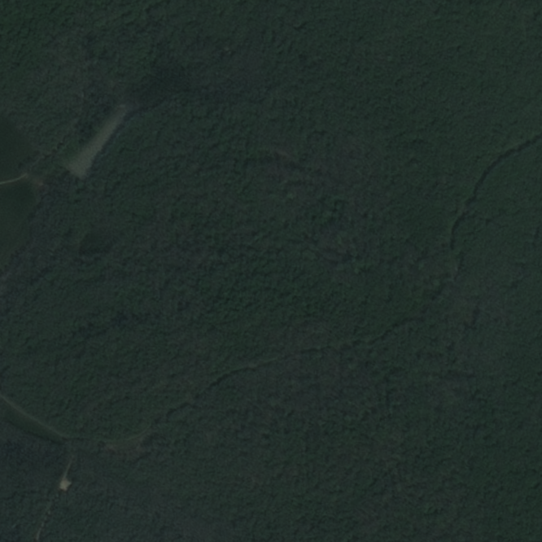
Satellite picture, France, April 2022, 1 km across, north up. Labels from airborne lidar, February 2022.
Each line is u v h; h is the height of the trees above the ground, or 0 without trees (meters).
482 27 24
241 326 16
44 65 22
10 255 0
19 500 11
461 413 31
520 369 24
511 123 25
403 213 26
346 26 23
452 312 25
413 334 24
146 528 13
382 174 26
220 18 22
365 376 27
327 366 26
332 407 25
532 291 24
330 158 25
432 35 28
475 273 25
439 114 24
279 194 24
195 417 28
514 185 23
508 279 29
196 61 23
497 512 23
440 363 25
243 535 30
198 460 19
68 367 24
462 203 20
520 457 27
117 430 19
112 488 18
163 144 24
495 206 21
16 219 0
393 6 25
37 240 18
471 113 19
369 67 23
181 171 21
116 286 28
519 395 20
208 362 17
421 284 28
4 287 24
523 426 24
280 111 26
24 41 24
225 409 28
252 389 28
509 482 27
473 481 26
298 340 24
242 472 24
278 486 25
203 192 24
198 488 22
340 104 26
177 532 18
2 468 23
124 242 26
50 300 25
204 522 23
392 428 25
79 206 22
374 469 22
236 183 23
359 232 32
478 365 26
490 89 23
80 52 18
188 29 26
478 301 27
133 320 27
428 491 25
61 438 0
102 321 24
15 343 19
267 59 17
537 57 19
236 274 10
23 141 0
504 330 26
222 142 22
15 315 23
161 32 19
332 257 28
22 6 24
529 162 25
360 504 25
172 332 23
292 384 27
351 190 22
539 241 21
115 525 10
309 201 28
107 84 25
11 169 0
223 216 23
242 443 23
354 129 22
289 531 22
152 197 22
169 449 25
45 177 0
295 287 25
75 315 23
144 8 20
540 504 21
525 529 21
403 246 27
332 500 23
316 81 26
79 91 23
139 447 0
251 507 18
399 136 22
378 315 25
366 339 20
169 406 18
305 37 23
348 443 24
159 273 23
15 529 10
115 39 24
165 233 24
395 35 25
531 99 24
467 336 25
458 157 21
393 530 22
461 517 22
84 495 7
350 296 23
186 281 25
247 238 21
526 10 28
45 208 20
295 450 24
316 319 21
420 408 26
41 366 23
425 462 19
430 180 22
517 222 24
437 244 24
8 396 13
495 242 26
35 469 19
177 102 17
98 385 23
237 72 15
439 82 25
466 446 25
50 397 19
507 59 24
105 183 24
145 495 22
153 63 18
